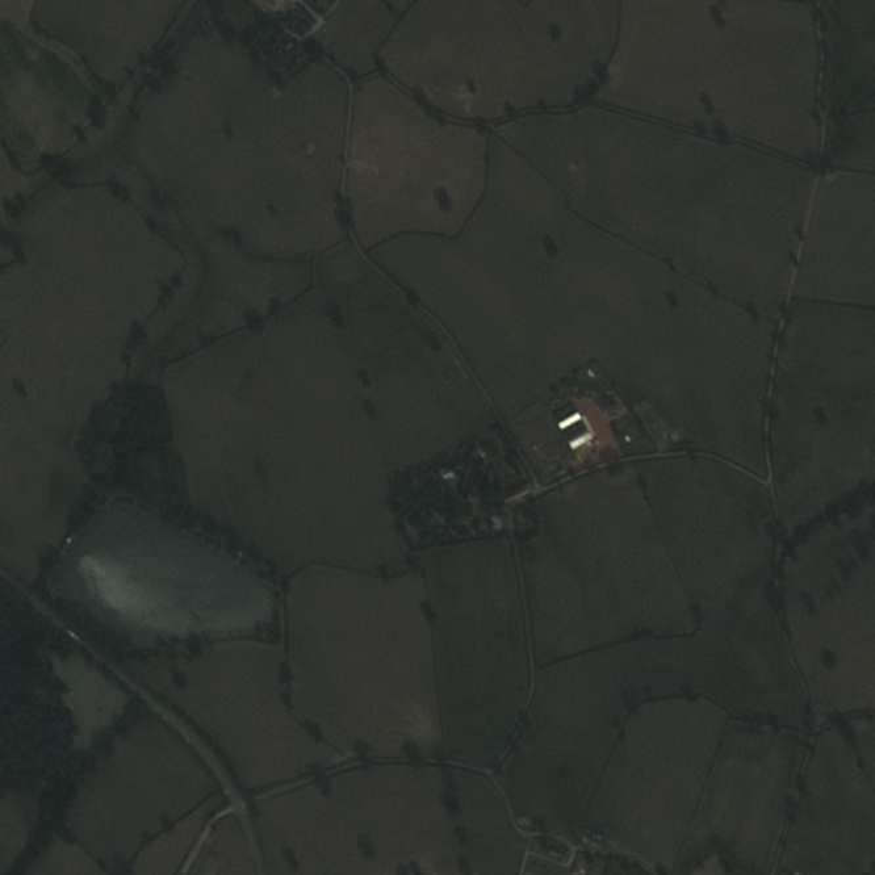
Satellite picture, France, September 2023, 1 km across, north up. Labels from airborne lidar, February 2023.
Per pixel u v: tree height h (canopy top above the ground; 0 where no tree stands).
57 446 0
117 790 0
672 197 0
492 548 0
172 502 12
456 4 0
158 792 0
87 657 15
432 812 0
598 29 0
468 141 0
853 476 0
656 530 0
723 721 0
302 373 0
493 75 0
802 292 0
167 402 0
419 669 0
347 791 0
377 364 0
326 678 0
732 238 0
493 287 0
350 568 0
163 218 0
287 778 0
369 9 0
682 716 0
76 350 0
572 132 0
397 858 0
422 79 0
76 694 0
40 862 0
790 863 0
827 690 0
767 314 0
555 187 0
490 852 0
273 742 0
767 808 0
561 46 0
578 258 0
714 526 0
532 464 0
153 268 0
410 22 0
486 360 0
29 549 0
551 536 0
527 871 0
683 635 0
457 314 0
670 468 0
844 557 0
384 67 12
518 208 0
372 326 0
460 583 0
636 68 0
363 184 0
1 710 24
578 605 0
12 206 13
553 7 0
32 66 0
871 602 0
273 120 0
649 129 0
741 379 0
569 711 0
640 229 0
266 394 0
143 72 0
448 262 0
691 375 0
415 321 0
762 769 0
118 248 0
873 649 0
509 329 0
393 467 0
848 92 0
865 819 0
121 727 18
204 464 0
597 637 0
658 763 0
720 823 0
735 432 0
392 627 0
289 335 0
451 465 7
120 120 0
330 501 0
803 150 0
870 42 0
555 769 0
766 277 0
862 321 0
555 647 0
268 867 0
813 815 0
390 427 0
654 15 0
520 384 0
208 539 9
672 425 0
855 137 0
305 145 0
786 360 0
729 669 0
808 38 0
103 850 0
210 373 0
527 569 0
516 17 0
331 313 16
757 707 0
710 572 0
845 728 14
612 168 0
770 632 0
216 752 8
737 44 0
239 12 0
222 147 0
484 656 0
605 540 0
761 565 0
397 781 0
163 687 0
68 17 0
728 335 0
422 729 0
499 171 0
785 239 0
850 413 0
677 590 0
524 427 0
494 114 0
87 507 17
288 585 11
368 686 0
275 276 0
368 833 0
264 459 0
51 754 23
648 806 0
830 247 0
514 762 0
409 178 0
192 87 0
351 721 0
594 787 0
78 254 0
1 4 0
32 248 0
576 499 0
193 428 0
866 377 0
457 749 0
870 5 0
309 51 9
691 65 0
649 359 0
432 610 14
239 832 0
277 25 17
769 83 0
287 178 0
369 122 0
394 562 0
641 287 0
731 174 0
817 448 0
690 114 0
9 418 0
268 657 0
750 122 0
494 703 0
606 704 0
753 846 0
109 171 0
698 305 0
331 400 0
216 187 0
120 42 0
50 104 0
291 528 0
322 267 0
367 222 0
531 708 0
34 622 20
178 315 0
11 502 0
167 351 0
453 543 7
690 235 0
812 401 0
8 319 0
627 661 0
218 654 0
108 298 0
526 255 0
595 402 0
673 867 0
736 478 0
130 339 10
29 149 0
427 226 0
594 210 0
